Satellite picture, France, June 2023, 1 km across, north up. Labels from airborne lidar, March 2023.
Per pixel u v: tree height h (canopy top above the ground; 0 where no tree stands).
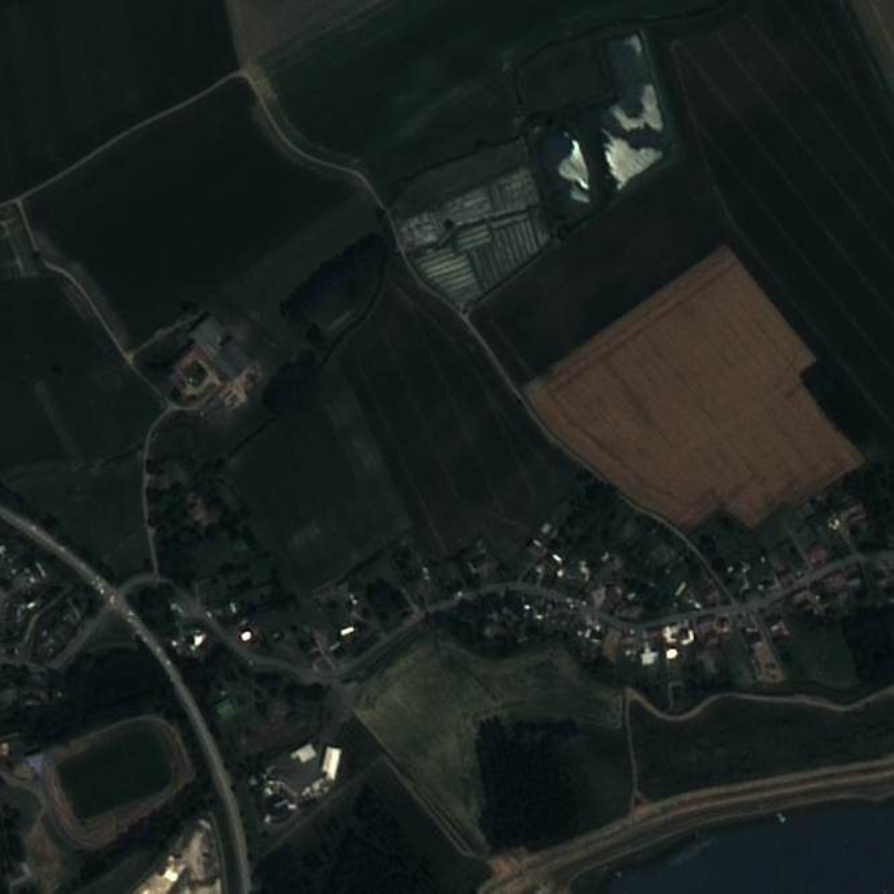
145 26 0
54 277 0
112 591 0
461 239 0
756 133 0
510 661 0
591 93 0
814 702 0
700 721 0
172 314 0
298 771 0
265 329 0
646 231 0
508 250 0
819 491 0
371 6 0
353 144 0
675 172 0
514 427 0
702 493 0
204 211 0
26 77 0
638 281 0
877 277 0
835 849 0
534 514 0
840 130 0
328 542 0
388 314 0
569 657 0
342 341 0
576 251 0
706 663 0
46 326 0
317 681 0
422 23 0
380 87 0
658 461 0
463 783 0
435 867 0
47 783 0
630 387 0
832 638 0
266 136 0
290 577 0
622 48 0
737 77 0
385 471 0
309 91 0
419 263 0
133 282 0
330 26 0
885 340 0
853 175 0
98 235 0
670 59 0
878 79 0
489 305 0
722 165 0
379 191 0
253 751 0
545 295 0
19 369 0
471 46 0
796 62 0
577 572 0
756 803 0
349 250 0
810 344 0
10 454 0
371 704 0
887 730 0
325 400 0
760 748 0
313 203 0
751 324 0
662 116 0
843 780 0
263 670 0
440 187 0
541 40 0
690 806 0
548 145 0
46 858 0
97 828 0
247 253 0
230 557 0
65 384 0
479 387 0
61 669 0
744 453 0
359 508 0
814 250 0
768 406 0
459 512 0
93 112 0
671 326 0
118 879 0
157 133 0
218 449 0
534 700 0
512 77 0
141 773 0
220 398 0
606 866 0
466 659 0
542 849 0
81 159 0
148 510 0
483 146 9
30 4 0
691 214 0
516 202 0
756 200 0
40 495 0
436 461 0
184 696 0
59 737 19
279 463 0
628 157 0
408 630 0
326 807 0
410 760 0
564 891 0
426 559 0
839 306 0
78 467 0
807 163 0
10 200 0
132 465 0
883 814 0
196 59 0
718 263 0
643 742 0
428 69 0
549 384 0
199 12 0
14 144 0
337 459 0
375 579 0
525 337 0
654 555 0
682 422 0
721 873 0
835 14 0
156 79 0
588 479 11
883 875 0
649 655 0
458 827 0
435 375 0
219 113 0
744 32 0
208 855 0
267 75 0
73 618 0
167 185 0
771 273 0
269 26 0
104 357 0
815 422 0
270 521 0
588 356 0
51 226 0
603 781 0
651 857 0
